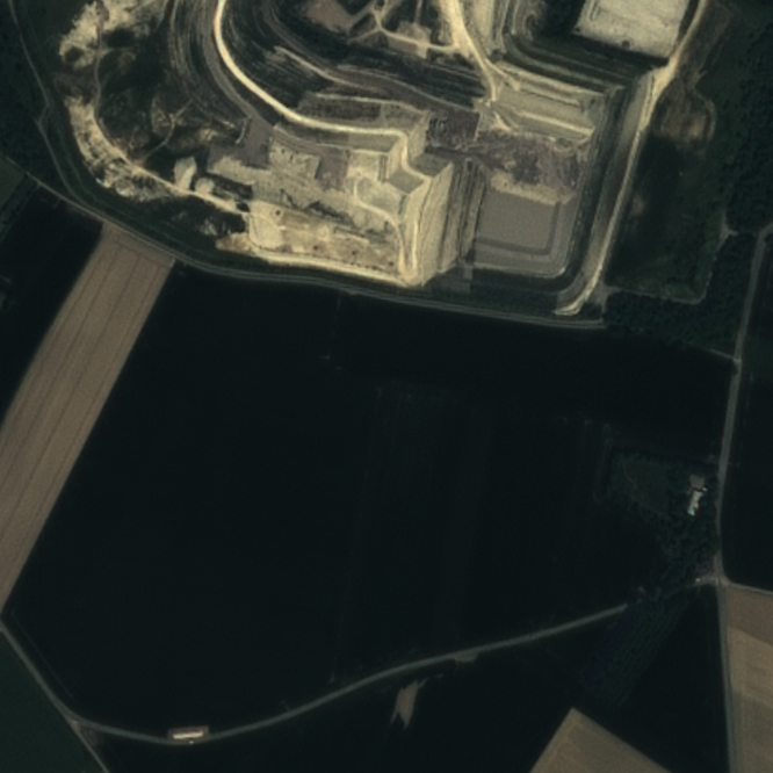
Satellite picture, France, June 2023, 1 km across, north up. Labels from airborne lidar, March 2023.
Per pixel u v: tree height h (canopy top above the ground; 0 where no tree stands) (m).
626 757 0
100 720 0
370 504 0
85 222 0
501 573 0
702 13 0
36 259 0
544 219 0
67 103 0
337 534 0
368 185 0
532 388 0
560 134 0
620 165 0
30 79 11
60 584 0
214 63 0
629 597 0
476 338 0
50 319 0
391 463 0
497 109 0
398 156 0
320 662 0
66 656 0
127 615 0
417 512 0
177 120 0
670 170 0
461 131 0
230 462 0
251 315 0
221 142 0
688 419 0
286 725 0
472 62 0
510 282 0
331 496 0
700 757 0
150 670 0
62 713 0
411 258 0
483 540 0
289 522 0
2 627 0
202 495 0
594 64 0
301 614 0
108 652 0
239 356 0
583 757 0
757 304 0
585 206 0
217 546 0
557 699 0
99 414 0
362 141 0
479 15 0
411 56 0
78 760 0
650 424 0
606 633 0
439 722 0
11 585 0
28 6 0
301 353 0
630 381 0
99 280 0
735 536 0
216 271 0
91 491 0
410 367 0
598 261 0
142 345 0
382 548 0
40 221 0
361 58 0
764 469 0
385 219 0
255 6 0
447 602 0
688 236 0
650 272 0
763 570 0
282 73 0
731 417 0
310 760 0
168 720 0
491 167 0
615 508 0
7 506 0
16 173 0
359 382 0
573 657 0
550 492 0
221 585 0
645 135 0
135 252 0
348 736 0
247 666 0
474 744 0
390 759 0
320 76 0
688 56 0
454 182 0
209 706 0
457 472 0
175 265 0
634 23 0
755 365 0
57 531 0
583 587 0
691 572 16
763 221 16
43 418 0
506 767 0
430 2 0
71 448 0
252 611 0
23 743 0
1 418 0
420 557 0
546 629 0
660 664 0
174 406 0
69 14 0
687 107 0
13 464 0
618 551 0
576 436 0
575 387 0
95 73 0
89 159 0
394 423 0
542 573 0
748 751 0
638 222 0
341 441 0
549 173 0
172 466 0
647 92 0
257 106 0
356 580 0
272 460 0
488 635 0
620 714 0
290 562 0
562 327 0
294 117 0
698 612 0
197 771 0
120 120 0
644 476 0
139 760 0
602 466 0
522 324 0
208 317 0
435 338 0
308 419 0
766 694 0
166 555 0
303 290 0
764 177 19
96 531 0
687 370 0
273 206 0
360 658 0
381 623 0
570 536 0
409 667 0
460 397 0
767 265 0
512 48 0
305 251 0
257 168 0
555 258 0
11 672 0
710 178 0
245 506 0
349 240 0
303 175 0
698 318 21
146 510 0
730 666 0
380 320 0
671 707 0
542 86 0
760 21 0
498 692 0
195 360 0
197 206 0
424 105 0
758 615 0
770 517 0
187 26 0
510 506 0
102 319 0
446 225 0
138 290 0
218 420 0
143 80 0
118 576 0
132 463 0
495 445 0
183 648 0
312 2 0
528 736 0
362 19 0
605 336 0
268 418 0
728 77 0
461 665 0
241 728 0
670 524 7
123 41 0
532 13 0
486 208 0
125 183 0
